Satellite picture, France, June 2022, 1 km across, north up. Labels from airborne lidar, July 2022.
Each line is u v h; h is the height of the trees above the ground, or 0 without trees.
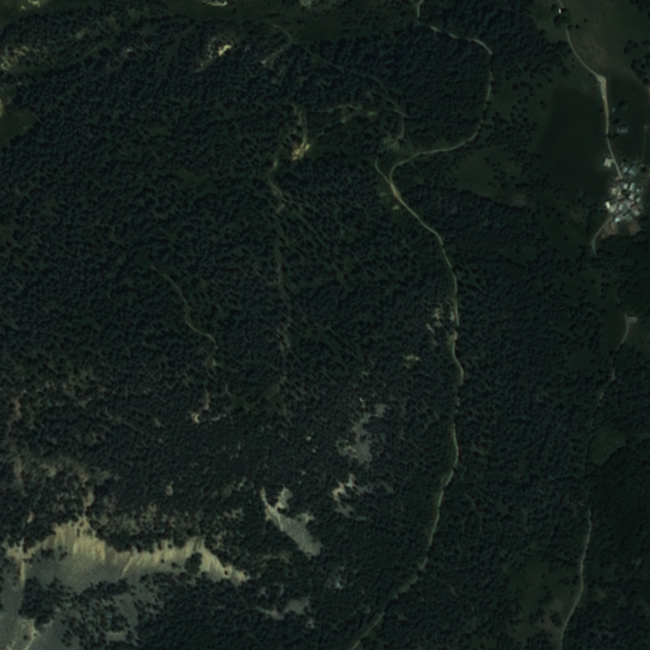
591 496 19
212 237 23
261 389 9
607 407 14
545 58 13
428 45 26
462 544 18
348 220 33
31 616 19
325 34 0
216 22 7
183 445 18
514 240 21
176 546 9
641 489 10
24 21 12
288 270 29
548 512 17
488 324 14
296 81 21
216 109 17
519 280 22
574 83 0
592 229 12
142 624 25
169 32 13
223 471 11
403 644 24
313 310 29
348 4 15
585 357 0
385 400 18
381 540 15
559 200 8
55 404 8
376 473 18
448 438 12
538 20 0
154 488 20
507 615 16
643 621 18
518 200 0
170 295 23
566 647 10
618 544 23
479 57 23
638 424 17
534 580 0
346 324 15
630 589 21
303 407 24
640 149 0
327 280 6
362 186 17
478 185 0
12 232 0
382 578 16
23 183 25
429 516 15
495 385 26
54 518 14
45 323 24
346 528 15
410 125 18
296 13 0
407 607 19
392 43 12
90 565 0
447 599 17
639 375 19
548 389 22
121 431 29
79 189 26
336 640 25
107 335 20
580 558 20
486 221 16
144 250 18
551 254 21
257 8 0
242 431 9
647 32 0
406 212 8
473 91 16
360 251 30
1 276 30
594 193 0
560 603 0
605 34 0
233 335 26
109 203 26
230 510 7
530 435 20
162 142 10
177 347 20
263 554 9
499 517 30
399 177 6
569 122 0
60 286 19
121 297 24
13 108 6
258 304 25
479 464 16
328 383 24
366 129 28
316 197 24
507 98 0
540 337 18
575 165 0
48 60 14
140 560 0
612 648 25
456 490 18
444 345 21
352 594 15
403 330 28
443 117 19
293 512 11
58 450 21
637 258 15
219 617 20
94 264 27
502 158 0
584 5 0
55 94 19
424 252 19
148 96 17
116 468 18
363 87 26
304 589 11
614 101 0
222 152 20
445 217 20
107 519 7
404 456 23
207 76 16
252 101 22
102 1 9
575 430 24
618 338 0
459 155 12
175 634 15
